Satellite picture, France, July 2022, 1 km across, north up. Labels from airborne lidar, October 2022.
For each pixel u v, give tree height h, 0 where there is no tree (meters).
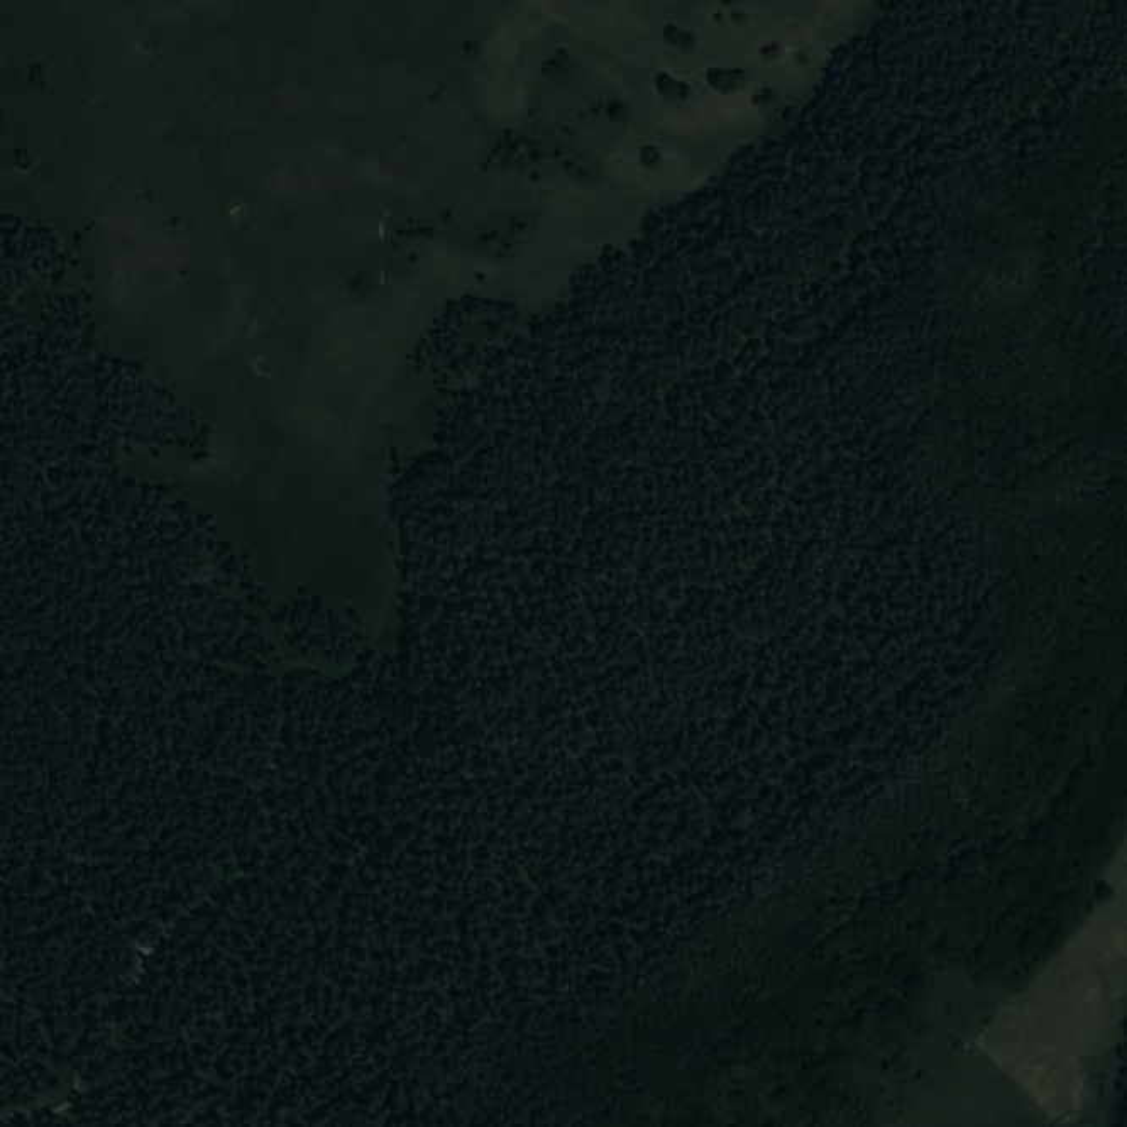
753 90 0
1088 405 24
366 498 0
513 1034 23
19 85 0
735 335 19
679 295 7
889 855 25
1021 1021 0
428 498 16
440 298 0
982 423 22
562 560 22
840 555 23
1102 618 28
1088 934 0
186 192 0
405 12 0
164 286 0
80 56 0
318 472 0
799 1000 26
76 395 33
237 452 0
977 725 19
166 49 0
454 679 30
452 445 25
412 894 19
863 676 31
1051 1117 0
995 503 22
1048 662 20
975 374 23
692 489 20
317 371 0
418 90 0
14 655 29
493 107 0
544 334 25
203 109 0
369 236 0
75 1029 32
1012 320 17
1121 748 28
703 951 15
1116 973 0
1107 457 18
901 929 28
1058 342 19
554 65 11
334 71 0
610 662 26
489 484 30
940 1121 0
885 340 21
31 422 30
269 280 0
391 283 0
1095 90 16
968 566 24
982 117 26
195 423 13
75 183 0
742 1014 23
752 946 16
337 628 24
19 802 25
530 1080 32
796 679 24
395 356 0
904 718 32
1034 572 25
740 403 26
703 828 34
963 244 16
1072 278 26
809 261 23
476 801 23
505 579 32
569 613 26
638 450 23
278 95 0
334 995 28
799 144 22
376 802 18
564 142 0
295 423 0
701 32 0
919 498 16
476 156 0
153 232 0
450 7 0
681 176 0
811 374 24
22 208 0
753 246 21
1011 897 23
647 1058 27
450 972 28
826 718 39
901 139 27
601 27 0
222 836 30
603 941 24
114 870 29
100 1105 22
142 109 0
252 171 0
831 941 33
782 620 20
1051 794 25
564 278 0
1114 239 26
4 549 29
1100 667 26
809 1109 8
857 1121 8
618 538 22
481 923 27
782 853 14
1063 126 14
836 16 0
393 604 0
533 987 24
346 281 0
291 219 0
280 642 0
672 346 9
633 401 18
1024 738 20
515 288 0
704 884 32
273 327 0
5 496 27
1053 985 0
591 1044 21
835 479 27
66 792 33
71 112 0
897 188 27
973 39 23
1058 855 28
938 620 31
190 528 17
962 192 20
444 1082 22
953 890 28
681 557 18
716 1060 26
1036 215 24
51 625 24
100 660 32
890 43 20
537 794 23
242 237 0
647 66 0
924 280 24
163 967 25
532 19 0
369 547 0
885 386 22
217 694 27
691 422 21
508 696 27
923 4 27
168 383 0
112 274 0
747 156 14
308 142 0
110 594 31
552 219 0
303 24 0
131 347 0
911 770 19
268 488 0
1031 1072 0
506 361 25
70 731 31
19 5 0
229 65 0
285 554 0
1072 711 29
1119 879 0
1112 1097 0
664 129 0
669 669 22
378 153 0
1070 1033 0
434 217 0
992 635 20
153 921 30
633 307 18
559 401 10
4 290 28
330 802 39
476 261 0
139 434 15
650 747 28
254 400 0
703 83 0
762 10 0
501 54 0
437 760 31
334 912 34
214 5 0
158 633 20
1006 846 27
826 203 19
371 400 0
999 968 21
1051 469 22
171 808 27
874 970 16
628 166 0
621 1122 27
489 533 23
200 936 33
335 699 27
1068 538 26
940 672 29
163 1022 25
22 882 27
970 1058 0
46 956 24
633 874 24
